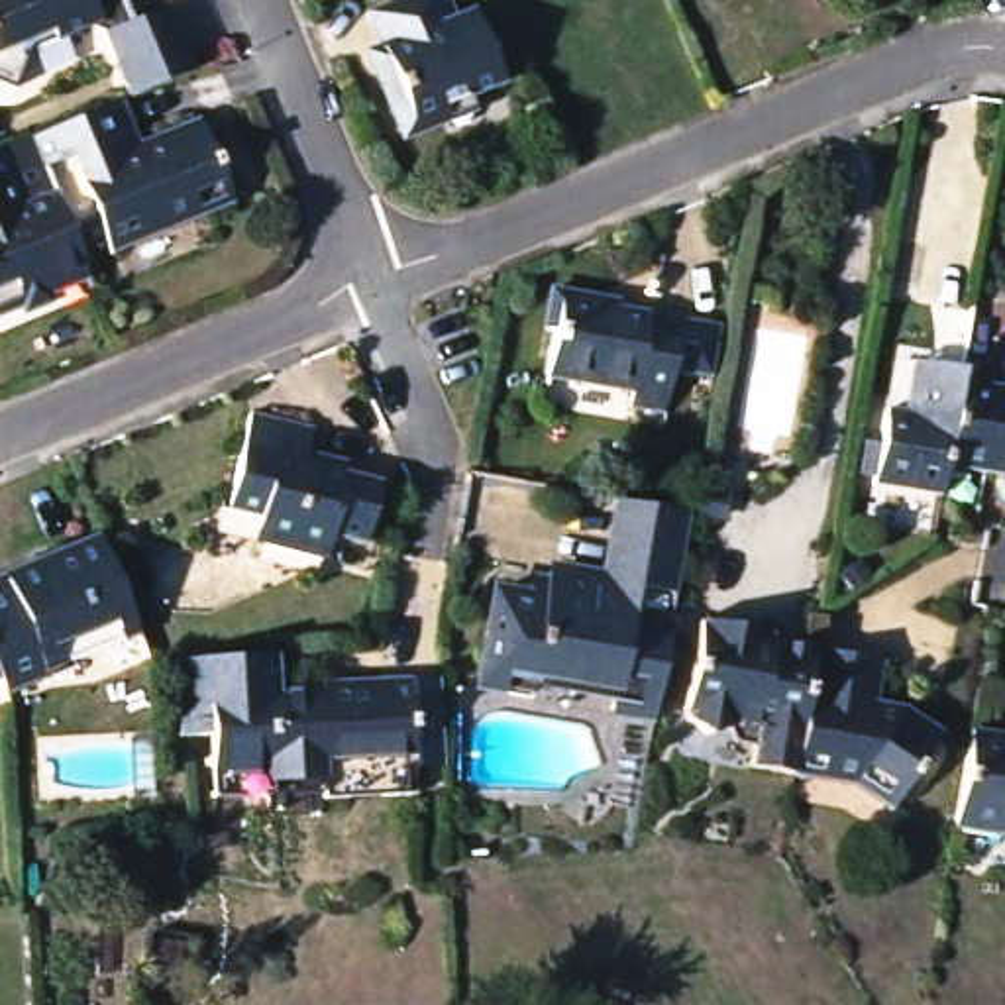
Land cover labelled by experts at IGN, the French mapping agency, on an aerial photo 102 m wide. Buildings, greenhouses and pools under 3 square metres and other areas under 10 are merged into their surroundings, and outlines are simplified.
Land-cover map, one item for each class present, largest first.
<instances>
[{"label":"impervious surface","instance_id":"1","mask_svg":"<svg viewBox=\"0 0 1005 1005\"><path fill-rule=\"evenodd\" d=\"M165 55V86L181 94V102L153 122V133H169L204 114L212 137L232 157V196L239 208H247L267 181V149H279L291 177V236L310 247V259L275 291H263L251 302L208 314L200 322L169 330L157 342L130 349L0 400V475L20 479L39 467L79 448L110 444L126 440L133 428L145 424H169L181 416L185 404L216 400L220 393H232V400H247L271 385L287 404L318 408L330 424L349 428V397L357 365L342 361L338 353L361 334H373V369H385V381L377 400L369 404L381 451L451 471L448 495L428 514L420 557L400 554L393 573L389 644L361 652L357 660L361 667L432 663L440 660V601L448 565L459 557V542L483 534L491 557H518L530 565H550L565 557L605 561L608 526H589L577 518H546L530 503L526 479L475 467L471 444H463L448 412L444 389L459 381V373L475 377L479 334L459 314H448L432 326L420 302L471 291L506 263H518L546 247H597L601 228H612V243H624L636 216H648L667 204L683 212L679 239L667 255L652 263V271L636 275L632 287H640L648 298L683 294L695 310H714L711 259L726 263V251L707 239L711 196H722L734 177L762 169L773 157L801 153L805 161H836L848 177L844 216L824 259V294L832 298V314L844 318V338L856 342V314L864 310L860 279H868L875 243L868 212L883 208L895 173V149L887 141H872L868 133L872 126L899 122L903 110H934L942 122V137L930 149L926 181L915 173L911 192L903 200L891 291L875 342L868 408L879 412L891 389V365L899 345L974 342L978 349H985L989 342H1005V291L997 298H981L970 310L958 302V271L974 263L989 188L974 153L978 110L1005 102V0H946V12L934 27L915 24L907 35H891L875 47L860 55H836L828 63H813L789 75L754 79L750 86H738L734 98H722L718 110L656 130L640 141L616 145L577 165L550 185H526L514 196L487 200L479 208L416 216L369 181L345 130V118L338 110V90L330 75L342 55L322 51L326 24L310 16L302 0H133ZM55 75L39 67L35 79H24V67L0 63V102L8 106L51 86ZM785 196L769 192L758 236L762 259L773 255L777 236L785 232ZM208 232L204 220L192 216L185 224L161 228L157 236L141 239L133 255L118 263V271L130 275L161 255L192 251L196 239ZM817 342L813 330L781 310L758 318L742 428L726 432L722 448V483L707 495V503L711 518L722 522V542L746 557V569L734 585L707 589L711 608L809 589L817 573L828 569L813 542L824 526L836 471V459L828 455H820L809 471H801L789 459L797 404L809 373V349ZM546 404L557 416L577 408L585 416L632 420V389L605 381H573L569 389L550 385ZM868 514L883 522L891 546L907 542L911 530H934L938 518L958 514L966 518L974 538L962 542L954 554L926 561L911 577L879 589L860 605V612L864 632H907L915 656L946 663L954 648V624L919 612L923 597H938L954 581H966L970 605L978 612H989L981 605L985 577L993 581V597L1005 601V471L970 467L958 487L938 491L887 479L872 487ZM263 514L224 506L220 554L192 557L185 589L177 597L181 608H224L239 597L259 593L263 585L291 581L298 569H310L322 585L338 581L342 569L353 577H369L377 569L369 561H361V550L353 542L322 538L318 554L275 546L263 538ZM145 663L149 652L145 636H130L126 624L110 620L102 628L75 636L71 663L35 683L0 679V703H31L55 687L98 683L102 675ZM487 714H526L585 726L597 750V766L569 777L557 789H538L530 805H542L550 813V824H565L569 817L581 824L601 820L608 832H620L624 844L636 840V828L656 718L620 714L616 699L608 695L573 699V691L561 687L479 695L475 679L455 687V722L444 730V766H455V773L471 781V734L475 722H483ZM707 762L703 793L683 797L679 805L660 813L656 824L663 832L671 828L675 820L703 809L711 793H718V781H726V769H762V742L738 738L734 726L703 722L691 730L683 742L663 746V762ZM75 750H114L126 762V777L118 781V789H71L55 781V758ZM153 746L145 742L130 734H67L35 742L39 797L98 801L133 793L153 797ZM813 805H832L856 817H875L883 813V801L856 781L813 777L805 789ZM962 836H974L985 848L981 860L970 864V872L985 875L989 868L1005 864V832L966 820L954 824Z\"/></svg>","mask_w":1005,"mask_h":1005},{"label":"building","instance_id":"2","mask_svg":"<svg viewBox=\"0 0 1005 1005\"><path fill-rule=\"evenodd\" d=\"M98 55L110 63V75L118 94L86 102V118H71L55 130H43L39 137L31 133V126L16 130L8 106L0 102V326L12 330L35 318L63 314L86 298V291L79 287L82 279L102 287L118 271V263L133 255L141 239L157 236L161 228L185 224L192 216L204 220L216 208H239L232 196V157L212 137L204 114L169 133H153V122L181 102V94L165 86V55L133 0H0V63L24 67V79H35L39 67L55 75L75 63H94ZM322 51L342 55H357L365 63V71L381 82L389 98L400 137L416 145L424 137L444 141L448 133H455L503 122L510 118V102L503 98L514 90V82L506 75L499 35L491 31L483 8L459 0H377L357 20L326 24ZM726 318L714 310H695L683 294L648 298L640 287H632L616 279L577 275L561 291L554 287L546 294L542 353V373L550 385L569 389L573 381H605L632 389V420H667L687 412L691 385H707L722 361ZM970 467L1005 471V342H989L985 349H978L974 342L899 345L891 365V389L879 412V436L864 451V475L872 487L887 479L938 491L958 487ZM349 428L330 424L318 408L287 404L271 385L247 400V444L232 463V487L224 506L263 514V538L275 546L318 554L322 538L353 542L361 550V561H369L385 530L400 534V554L420 557L428 514L448 495L451 471L381 451L369 404H357L349 397ZM612 514L608 526L605 561L565 557L550 565H530L518 557H491V565L483 569V577L491 581V612L483 628V660L475 663V679L479 695L561 687L573 691V699L608 695L616 699L620 714L656 718L663 703L671 711H683V722L691 730L703 722L734 726L738 738L762 742V769L789 781H801L805 789L813 777L856 781L883 801V813L895 809L903 797L926 805V797L962 769L950 820L954 824L966 820L1005 832V722H974L958 695H930L926 675L907 671V660L915 656L907 632H864L860 612L836 608L832 624L817 632L805 624L809 605L817 601L809 589L711 608L707 589L734 585L746 569V557L722 542V522L711 518L707 503L679 506L671 495H663L660 503L628 499L616 495L605 506ZM137 616L133 585L118 557L106 550L102 530L82 534L79 522H71L63 530H51V546L35 561L24 557L20 581L0 585V679L35 683L71 663L75 636L102 628L110 620L126 624ZM455 722V687L440 679L432 663L361 667L357 660L338 652H302L298 663H287V652H255L251 660H243V652L196 656V707L181 722V734L208 742V797L220 805H263L275 789L287 801V809L302 813H326L330 801H345L353 793H381L393 801L408 797L420 785H436L444 766V730Z\"/></svg>","mask_w":1005,"mask_h":1005},{"label":"herbaceous vegetation","instance_id":"3","mask_svg":"<svg viewBox=\"0 0 1005 1005\"><path fill-rule=\"evenodd\" d=\"M483 8L491 31L499 35L506 75L514 82L518 75L542 79L550 118L557 122L565 153L577 165L616 145L640 141L656 130L718 110L722 98H734L738 86H750L754 79L789 75L813 63H828L836 55H860L875 47L864 24H875L879 16L868 0H679L683 20L699 39L703 63L714 82V90L703 98L667 31V0H459ZM338 90L357 82L369 122L400 173L416 165V145L400 137L389 98L381 82L365 71V63L357 55H342L330 75ZM455 153L471 157L475 185L495 192V161L510 149L503 122L455 133ZM79 287L86 291V298L63 314L35 318L12 330L0 326V400L130 349L126 342L133 338V310L165 318V306L157 291H137L130 275L118 271L102 287L82 279ZM554 287L550 275H538L522 310L506 318L503 357L487 408L479 397H471L475 377L459 373V381L444 389L448 412L463 444H471L475 467L526 479L542 483V491L561 495L577 518L589 526H608L612 514L605 506L593 503V495L581 483L561 475L569 459H585V451L601 448V440L608 448H624V463L640 471L628 499L660 503L663 495V475L683 455L707 471H722V448H707L703 420L687 412L667 420H632L585 416L577 408L557 416L546 404L550 385L542 373V353L546 294ZM247 400H232V393H220L216 400L185 404L181 416L169 424H145L133 428L126 440L110 444L114 459L98 467V479L110 487V495L98 503V510L106 514L102 530L106 550L118 557L133 585L137 616L126 624L130 636H145L149 652L177 671L169 746L157 758H165L177 773L192 762L196 773L208 769V742L181 734V722L196 707V656L243 652V660H251L255 652H287V663H298L302 652V636L334 632L338 620L357 616L365 608L369 577H353L342 569L338 581L322 585L310 569H298L291 581L263 585L259 593L239 597L224 608H181L177 597L185 589L192 557L220 554L224 506L232 487V463L247 444ZM51 487L39 467L20 479L0 475V585L20 581L24 557L35 561L51 546V530H63L71 522V506H63L59 499L47 503ZM145 663L102 675L98 683L55 687L31 703H12L20 856L27 891L35 895V903H43L39 895L47 879V860L39 856L35 840L39 832H59L75 824L98 801L39 797L35 742L67 734H130L145 742L153 734V714L145 711ZM962 769L926 797V805L903 797L895 809L883 813L875 817L907 848L911 883L887 895H852L836 887V848L856 817L832 805H813L809 824L789 836V848L805 856L813 875L832 883V899L813 907L805 903L789 860L781 856L785 820H777V793L789 781L762 769H726V781H734V793L742 797V832H734L730 824H707V836L699 844H687L671 828L663 832L656 824L652 836L636 828V840L624 844L620 832H608L601 820L581 824L569 817L565 824H550V813L542 805H518L526 852L510 868L495 860L487 848H471L467 856L471 974L491 978L506 966L538 970L542 958L557 954L550 981L557 989H589L605 1005H856L852 997L836 993V985H828L820 974L828 950L817 938V919L828 915H840L860 934L864 974L879 989L883 1005H1005V864L989 868L985 875L970 872L962 875L958 958L950 962L946 981L930 978V954L946 938V919H930V872L942 852L938 828L950 820ZM302 813L287 809V801L275 789L263 805H243V844L224 848L220 875L204 891H220L228 899L251 895L255 883H275L279 895H291L302 864ZM365 875L373 879L381 899L361 915L322 919L306 911L236 930L228 946H220V923H169L149 938V954L157 966L185 958L200 970L228 974L232 989L220 993V1005H448V907L440 895L424 891V883H416L412 891H397L381 872ZM24 887H8L0 879V1005H35L31 926L20 911Z\"/></svg>","mask_w":1005,"mask_h":1005},{"label":"brushwood","instance_id":"4","mask_svg":"<svg viewBox=\"0 0 1005 1005\"><path fill-rule=\"evenodd\" d=\"M310 16L326 24L357 20L377 0H302ZM667 31L703 98L714 90V82L703 63L699 39L683 20L679 0H667ZM879 16L875 24H864L875 47L891 35H907L915 24L934 27L946 12V0H868ZM110 75V63L98 55L94 63H75L55 75L51 86L55 94H71ZM510 102V118L503 122L510 149L495 161V192L475 185L471 157L455 153V133H448L444 141L424 137L416 145V165L400 173L369 122L357 82L338 90V110L345 118V130L369 181L416 216L479 208L487 200L514 196L526 185H550L577 165L565 153L557 122L550 118L542 79L518 75L514 82V90L503 98ZM974 153L989 188L974 263L958 271V302L970 310L981 298H997L1005 291V102L978 110ZM872 141H887L895 149V173L883 208L868 212L875 243L868 279H860L864 310L856 314V342L844 338V318L832 314V298L824 294V259L844 216L848 177L836 161H805L801 153L773 157L762 169L734 177L722 196H711L707 239L726 251V263L711 259L714 310L726 318L722 361L707 385H691L687 412L703 420L707 448H722L726 432L742 428L758 318L781 310L813 330L817 342L809 349V373L797 404L789 459L801 471H809L820 455H828L836 459V471L824 526L813 542L828 569L817 573L809 589L817 601L809 605L805 624L817 632L832 624L836 608L860 612V605L879 589L911 577L926 561L954 554L962 542L974 538L966 518L958 514L938 518L934 530H911L907 542L891 546L883 522L868 514L872 487L864 475V451L879 436V412L868 408L875 342L891 291L903 200L911 192L915 173L926 181L930 149L942 137V122L934 110H903L899 122L872 126L868 133ZM769 192L785 196V232L777 236L773 255L762 259L758 236ZM291 177L279 149H267V181L247 208H216L204 220L208 232L220 243L232 239V232H239L259 247H283V255L255 279L200 294L185 306H165V318L133 310V338L126 342L130 349L157 342L169 330L200 322L208 314L251 302L263 291H275L310 259V247L291 236ZM683 212L667 204L648 216H636L624 243H612V228H601L597 247H546L518 263H506L471 291L420 302L432 326L448 314H459L479 334L475 377L471 397H479L487 408L503 357L506 318L522 310L538 275H550L554 287L561 291L577 275L616 279L632 287L636 275L652 271V263L667 255L679 239ZM373 334H361L338 353L342 361L357 365L349 397L357 404H369L377 400L385 381V369H373ZM114 459L110 444L79 448L39 467L51 487L47 503L59 499L63 506H71V522H79L82 534L102 530L106 514L98 510V503L110 495V487L98 479V467ZM530 503L546 518H577L561 495L542 491V483L526 479ZM400 534L385 530L369 561L377 569L369 577L365 608L357 616L338 620L334 632L302 636V652H338L357 660L361 652L389 644L393 573L400 554ZM491 565V557L483 534L459 542V557L448 565L440 601V660L432 663L440 679L455 687L475 679V663L483 660V628L491 612V581L483 577V569ZM981 605L989 612H978L970 605L966 581H954L938 597H923L919 612L954 624V648L946 663L915 656L907 660V671L926 675L930 695H958L974 722H1005V601L993 597V581L985 577ZM145 711L153 714V734L145 742L153 746V797L133 793L98 801L75 824L110 852L114 868H122L126 879L141 891L149 915L181 907L196 891H204L220 875L224 848L243 844V805H220L208 797V769L196 773L192 762L177 773L165 758H157L169 746L177 671L149 652L145 663ZM0 879L8 887H24L20 911L31 926L35 1005H79L75 997L82 981V958L71 946L51 938V907L43 903H35V895L27 891L20 856L12 703H0ZM691 730L683 722V711H671L663 703L656 718L636 828L652 836L656 824L660 813L679 805L683 797L703 793L707 762H663V746L683 742ZM385 824L397 840H404L416 883H424V891L440 895L448 907V1005H471V974L467 856L471 848H487L495 860L510 868L526 852L518 805L483 797L471 781L455 773V766H444L436 785H420L408 797L393 801L385 809ZM707 824H730L734 832H742V797L734 793V781H718V793H711L703 809L675 820L671 828L687 844H699L707 836ZM813 805L801 781H789L777 793V820H785L781 856L789 860L805 903L813 907L832 899V883L813 875L805 856L789 848V836L809 824ZM836 887L852 895H887L911 883L907 848L875 817H856L836 848ZM942 852L930 872V919H946V938L930 954V978L946 981L950 962L958 958L962 875L970 872V864L981 860L985 848L974 836H962L954 824L950 820L938 828ZM381 899L373 879L365 875L314 883L306 895V911L322 919L361 915ZM817 938L828 950L820 974L828 985H836V993L852 997L856 1005H883L879 989L864 974L860 934L840 915H828L817 919ZM153 985H169L177 993V1005H220V993L232 989L228 974L200 970L185 958L157 966Z\"/></svg>","mask_w":1005,"mask_h":1005},{"label":"pervious surface","instance_id":"5","mask_svg":"<svg viewBox=\"0 0 1005 1005\"><path fill-rule=\"evenodd\" d=\"M118 94L110 75L71 94H55L51 86L8 106L16 130L31 126V133L39 137L43 130H55L71 118H86V102ZM283 255V247H259L239 232H232V239L220 243L208 232L196 239L192 251L161 255L130 275L137 291H157L165 306H185L200 294L255 279ZM393 801L381 793H353L345 801H330L326 813H302V864L291 895H279L275 883H255L251 895L228 899L220 891H196L181 907L149 915L145 926L130 930L126 938L110 930H79L71 946L82 958V981L75 997L79 1005H177V993L169 985H153L157 966L149 954V938L169 923H220V946H228L236 930L306 911V895L314 883L365 875L381 872L397 891H412L416 883L404 840H397L385 824V809Z\"/></svg>","mask_w":1005,"mask_h":1005},{"label":"deciduous trees","instance_id":"6","mask_svg":"<svg viewBox=\"0 0 1005 1005\"><path fill-rule=\"evenodd\" d=\"M561 475L581 483L593 495V503L605 506L616 495L628 499L640 471L624 463V448H608L601 440V448L585 451V459H569ZM722 483V471H707L683 455L663 475V495H671L679 506L707 503V495ZM39 856L47 860V879L39 895L43 903L51 907V938L71 946L79 930H110L126 938L130 930L145 926L149 915L141 891L126 879L122 868H114L110 852L75 824L59 832H39L35 840ZM557 954L542 958L538 970L506 966L491 978L471 974V1005H605L589 989H557L550 981Z\"/></svg>","mask_w":1005,"mask_h":1005},{"label":"swimming pool","instance_id":"7","mask_svg":"<svg viewBox=\"0 0 1005 1005\"><path fill-rule=\"evenodd\" d=\"M597 766V750L585 726L526 714H487L483 722H475L471 734V781L483 797L518 805H530L538 789H557L569 777ZM55 781L71 789H118V781L126 777V762L114 750H75L55 758Z\"/></svg>","mask_w":1005,"mask_h":1005}]
</instances>
